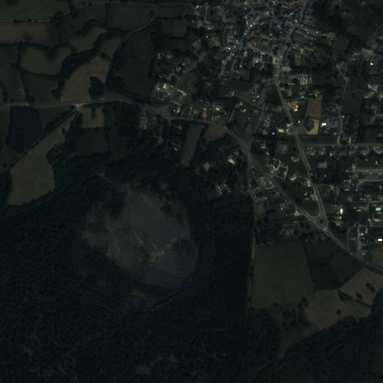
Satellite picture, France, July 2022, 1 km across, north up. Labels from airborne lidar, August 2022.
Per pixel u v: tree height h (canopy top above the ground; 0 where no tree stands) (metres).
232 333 15
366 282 0
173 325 14
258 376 7
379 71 8
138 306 8
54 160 15
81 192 18
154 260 0
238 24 13
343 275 0
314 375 9
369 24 0
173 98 0
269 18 0
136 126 15
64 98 0
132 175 11
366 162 0
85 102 0
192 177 20
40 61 0
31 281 20
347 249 0
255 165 0
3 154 0
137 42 0
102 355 17
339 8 15
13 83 0
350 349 6
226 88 0
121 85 18
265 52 0
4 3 0
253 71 14
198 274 9
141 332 11
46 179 0
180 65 6
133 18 0
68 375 21
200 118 9
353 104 0
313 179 14
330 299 0
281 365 8
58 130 0
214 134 0
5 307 26
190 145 0
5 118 0
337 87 6
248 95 0
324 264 10
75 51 8
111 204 7
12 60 0
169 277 0
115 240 0
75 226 6
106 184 12
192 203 12
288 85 13
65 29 0
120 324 14
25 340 21
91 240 0
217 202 22
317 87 13
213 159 17
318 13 16
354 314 0
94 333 13
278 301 0
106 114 11
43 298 28
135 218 0
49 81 0
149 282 0
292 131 0
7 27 0
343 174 6
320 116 0
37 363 21
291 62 6
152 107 0
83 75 0
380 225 0
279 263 0
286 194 0
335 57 0
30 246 27
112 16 0
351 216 0
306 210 0
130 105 9
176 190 16
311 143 0
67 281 27
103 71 0
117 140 0
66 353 17
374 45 0
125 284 12
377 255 0
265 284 0
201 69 8
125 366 22
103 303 12
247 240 10
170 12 0
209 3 13
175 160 21
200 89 7
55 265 26
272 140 17
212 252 16
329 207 0
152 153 7
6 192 19
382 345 0
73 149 19
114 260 0
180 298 11
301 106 0
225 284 15
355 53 0
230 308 15
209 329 13
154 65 12
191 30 16
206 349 7
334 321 0
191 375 28
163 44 16
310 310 0
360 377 15
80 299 16
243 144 0
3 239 21
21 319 22
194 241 9
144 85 0
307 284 0
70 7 12
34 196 0
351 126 6
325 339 9
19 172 0
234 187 15
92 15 0
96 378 22
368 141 0
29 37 0
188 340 11
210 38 0
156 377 22
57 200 19
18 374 15
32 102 16
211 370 30
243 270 16
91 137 0
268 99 10
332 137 0
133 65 0
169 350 14
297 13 0
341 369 18
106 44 0
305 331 0
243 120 0
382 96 0
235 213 9
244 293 16
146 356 10
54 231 11
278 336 10
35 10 0
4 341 23
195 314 22
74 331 21
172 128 11
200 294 20
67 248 14
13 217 14
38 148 0
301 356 10
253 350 19
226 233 17
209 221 17
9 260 27
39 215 16
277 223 7
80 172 20
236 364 16
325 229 0
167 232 0
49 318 28
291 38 9
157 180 9
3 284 26
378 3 0
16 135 23
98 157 11
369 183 0
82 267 7
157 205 0
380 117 0
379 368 0
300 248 0
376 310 23
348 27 0
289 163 0
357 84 0
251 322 15
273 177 0
